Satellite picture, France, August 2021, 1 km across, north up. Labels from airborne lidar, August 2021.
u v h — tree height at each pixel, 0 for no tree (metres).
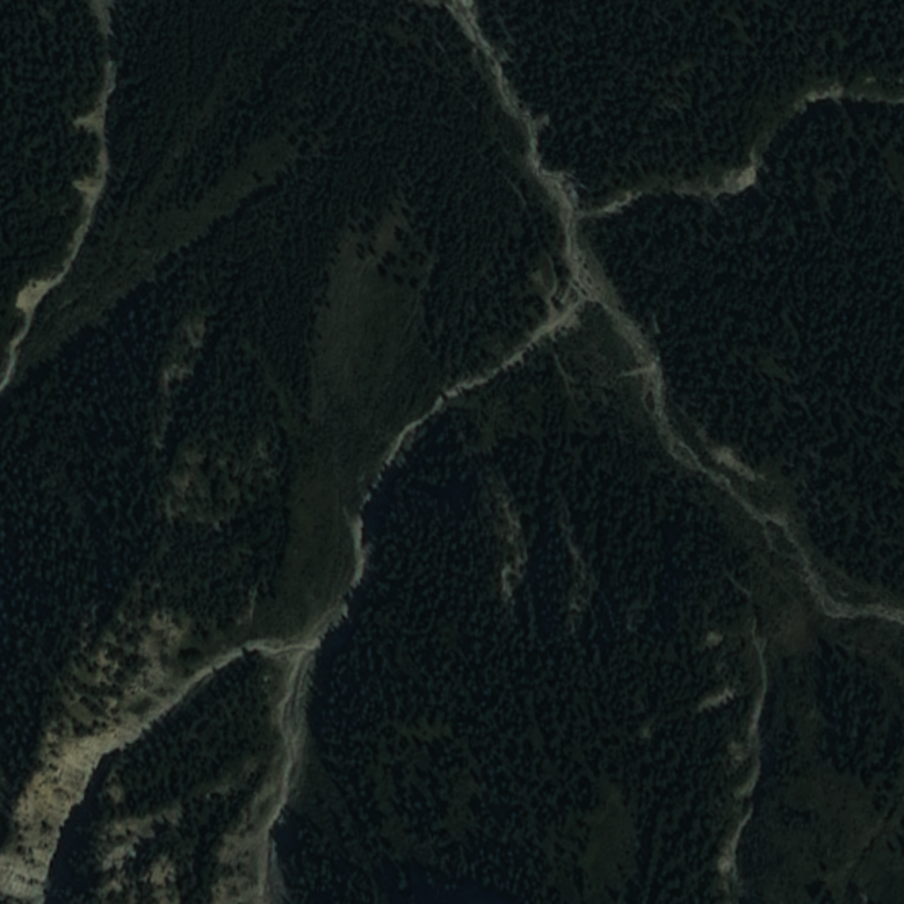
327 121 19
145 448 16
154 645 0
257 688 16
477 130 13
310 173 20
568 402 7
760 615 8
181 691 0
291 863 8
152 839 7
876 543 24
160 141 15
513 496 23
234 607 14
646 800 7
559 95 19
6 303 15
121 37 20
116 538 18
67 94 25
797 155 16
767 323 16
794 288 24
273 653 0
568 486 33
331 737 16
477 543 11
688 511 21
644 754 18
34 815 0
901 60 15
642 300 15
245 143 17
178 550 6
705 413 13
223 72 14
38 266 22
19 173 11
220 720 21
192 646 0
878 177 16
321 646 0
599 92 27
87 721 0
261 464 12
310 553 0
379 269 0
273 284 13
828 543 25
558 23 18
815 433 23
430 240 17
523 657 19
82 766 0
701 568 16
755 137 7
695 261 23
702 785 11
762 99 21
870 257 22
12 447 16
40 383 14
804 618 0
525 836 14
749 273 9
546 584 17
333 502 0
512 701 17
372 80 16
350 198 18
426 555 23
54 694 13
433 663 19
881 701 22
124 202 16
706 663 10
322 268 13
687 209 25
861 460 25
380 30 9
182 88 17
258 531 24
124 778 20
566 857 14
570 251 0
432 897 12
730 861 0
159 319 14
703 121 24
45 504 19
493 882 19
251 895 0
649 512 28
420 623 17
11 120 19
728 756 15
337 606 0
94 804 9
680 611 12
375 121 12
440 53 19
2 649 13
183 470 20
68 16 17
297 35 7
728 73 28
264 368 10
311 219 13
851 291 28
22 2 22
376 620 13
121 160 19
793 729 11
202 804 8
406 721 18
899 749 12
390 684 16
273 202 19
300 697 0
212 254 22
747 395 24
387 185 18
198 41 17
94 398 19
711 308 24
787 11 16
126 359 18
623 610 7
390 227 0
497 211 19
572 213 0
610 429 13
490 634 12
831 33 17
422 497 10
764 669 0
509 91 0
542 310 15
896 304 26
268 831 0
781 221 18
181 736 23
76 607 16
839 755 17
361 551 0
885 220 21
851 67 25
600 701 18
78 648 9
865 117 27
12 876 0
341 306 0
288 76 23
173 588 15
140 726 0
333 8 19
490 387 10
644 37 18
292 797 0
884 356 26
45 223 10
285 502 9
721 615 18
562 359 6
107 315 6
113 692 18
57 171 11
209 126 6
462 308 13
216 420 16
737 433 13
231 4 20
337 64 20
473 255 14
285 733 0
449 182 18
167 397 8
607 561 14
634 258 23
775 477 0
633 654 13
